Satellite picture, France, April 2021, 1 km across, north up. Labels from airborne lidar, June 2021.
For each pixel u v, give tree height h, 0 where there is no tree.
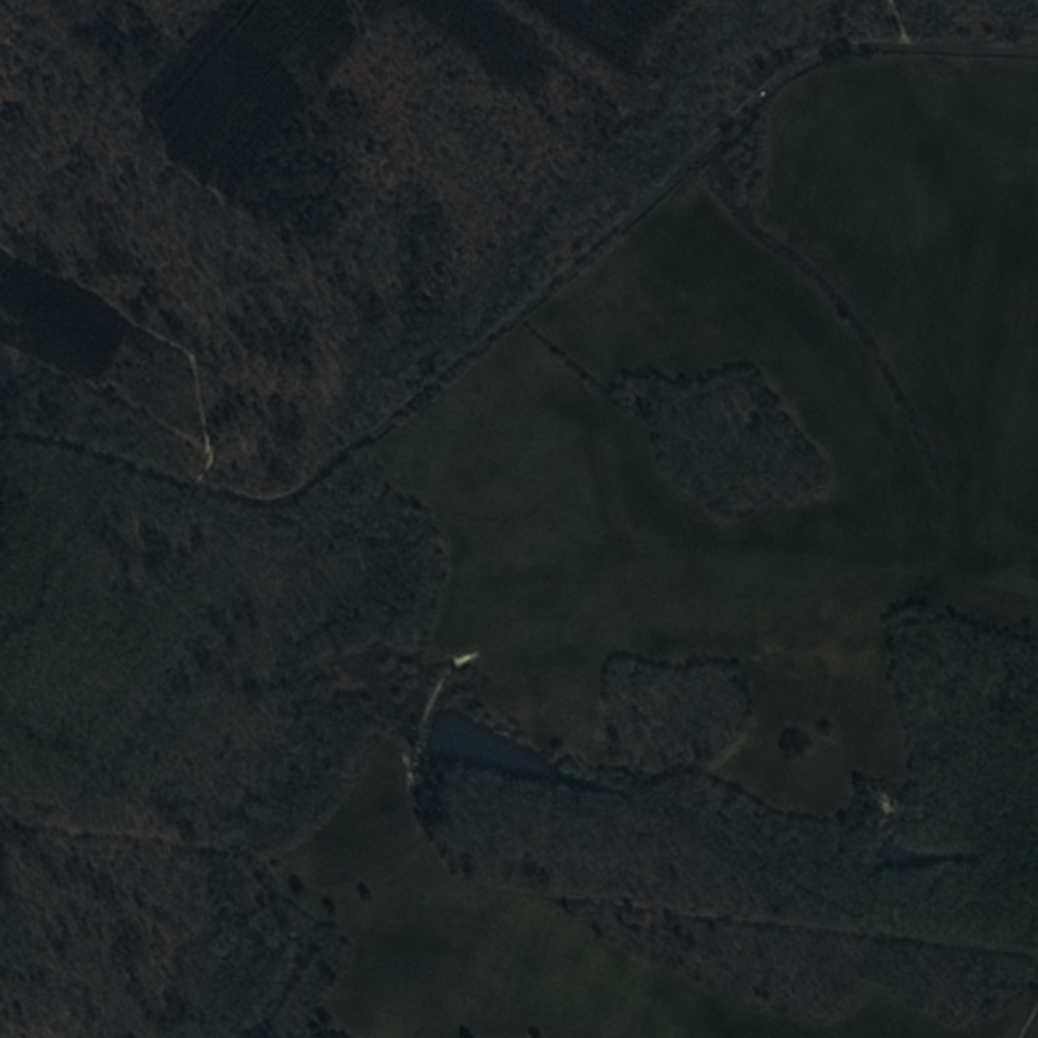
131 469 17
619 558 0
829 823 13
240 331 19
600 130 15
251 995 22
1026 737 20
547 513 0
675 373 0
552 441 0
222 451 12
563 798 21
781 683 0
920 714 16
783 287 0
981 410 0
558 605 0
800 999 10
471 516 0
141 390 0
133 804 20
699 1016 0
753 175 9
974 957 13
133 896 11
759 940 11
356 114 19
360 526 20
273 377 11
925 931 20
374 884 0
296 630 20
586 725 0
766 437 17
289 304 19
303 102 9
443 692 0
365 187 6
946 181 0
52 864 14
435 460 0
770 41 13
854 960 11
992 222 0
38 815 8
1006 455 0
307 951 13
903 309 0
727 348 0
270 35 8
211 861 15
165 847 13
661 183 16
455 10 16
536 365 0
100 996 14
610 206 8
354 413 17
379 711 15
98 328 11
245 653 20
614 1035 0
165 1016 11
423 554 19
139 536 12
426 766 15
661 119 17
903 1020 0
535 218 19
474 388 0
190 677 21
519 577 0
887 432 0
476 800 14
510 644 0
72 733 17
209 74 10
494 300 17
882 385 0
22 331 7
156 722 17
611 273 0
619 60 12
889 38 14
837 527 0
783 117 0
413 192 15
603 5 11
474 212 9
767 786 0
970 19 11
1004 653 12
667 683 15
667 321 0
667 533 0
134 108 12
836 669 0
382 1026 0
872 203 0
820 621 0
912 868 13
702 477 19
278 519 16
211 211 16
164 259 11
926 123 0
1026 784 20
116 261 18
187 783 23
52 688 15
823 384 0
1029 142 0
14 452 22
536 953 0
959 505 0
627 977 0
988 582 0
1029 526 0
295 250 22
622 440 0
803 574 0
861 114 0
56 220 17
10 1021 7
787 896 16
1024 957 13
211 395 0
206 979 20
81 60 12
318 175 17
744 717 15
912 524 0
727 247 0
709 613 0
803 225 0
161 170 13
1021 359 0
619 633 0
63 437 20
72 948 16
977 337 0
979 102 0
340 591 20
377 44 7
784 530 0
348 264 15
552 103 17
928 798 15
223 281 14
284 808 22
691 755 15
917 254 0
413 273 17
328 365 15
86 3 8
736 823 20
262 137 11
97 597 18
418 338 18
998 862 21
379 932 0
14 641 17
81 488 16
